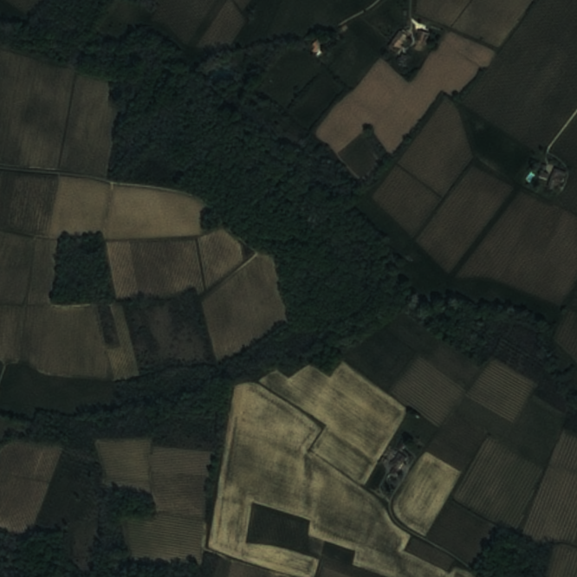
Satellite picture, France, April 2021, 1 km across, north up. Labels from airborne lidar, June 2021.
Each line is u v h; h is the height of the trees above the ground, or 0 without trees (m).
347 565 0
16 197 0
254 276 0
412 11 0
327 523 0
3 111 0
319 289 21
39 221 0
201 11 0
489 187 0
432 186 0
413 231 0
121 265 0
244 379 17
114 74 22
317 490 0
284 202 25
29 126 0
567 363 0
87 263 19
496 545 26
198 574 9
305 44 13
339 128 0
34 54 12
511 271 0
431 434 0
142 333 10
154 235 0
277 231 23
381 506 0
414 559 0
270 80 0
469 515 0
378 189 0
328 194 21
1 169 0
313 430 0
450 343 10
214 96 24
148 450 0
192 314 11
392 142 0
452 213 0
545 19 0
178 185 19
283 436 0
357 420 0
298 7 0
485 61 0
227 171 22
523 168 0
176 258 0
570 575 0
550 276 0
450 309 23
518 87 0
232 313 0
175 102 23
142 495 15
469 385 0
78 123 0
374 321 19
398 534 0
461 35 0
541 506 0
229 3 0
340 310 22
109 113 0
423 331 0
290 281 16
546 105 0
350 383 0
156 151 20
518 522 0
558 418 0
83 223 0
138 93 14
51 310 0
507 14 0
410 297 16
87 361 0
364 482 0
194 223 0
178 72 24
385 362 0
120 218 0
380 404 0
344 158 0
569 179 0
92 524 0
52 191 0
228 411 9
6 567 11
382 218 0
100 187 0
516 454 0
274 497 0
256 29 0
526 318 20
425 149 0
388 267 10
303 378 0
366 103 0
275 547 0
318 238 24
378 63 0
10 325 0
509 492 0
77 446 10
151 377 10
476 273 0
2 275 0
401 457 0
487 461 0
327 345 21
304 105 0
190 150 23
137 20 0
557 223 0
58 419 11
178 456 0
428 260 0
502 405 0
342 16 0
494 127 0
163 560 0
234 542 0
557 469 0
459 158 0
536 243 0
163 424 17
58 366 0
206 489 11
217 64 29
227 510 0
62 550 15
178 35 0
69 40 19
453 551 0
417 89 0
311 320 20
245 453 0
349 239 23
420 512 0
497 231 0
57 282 9
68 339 0
